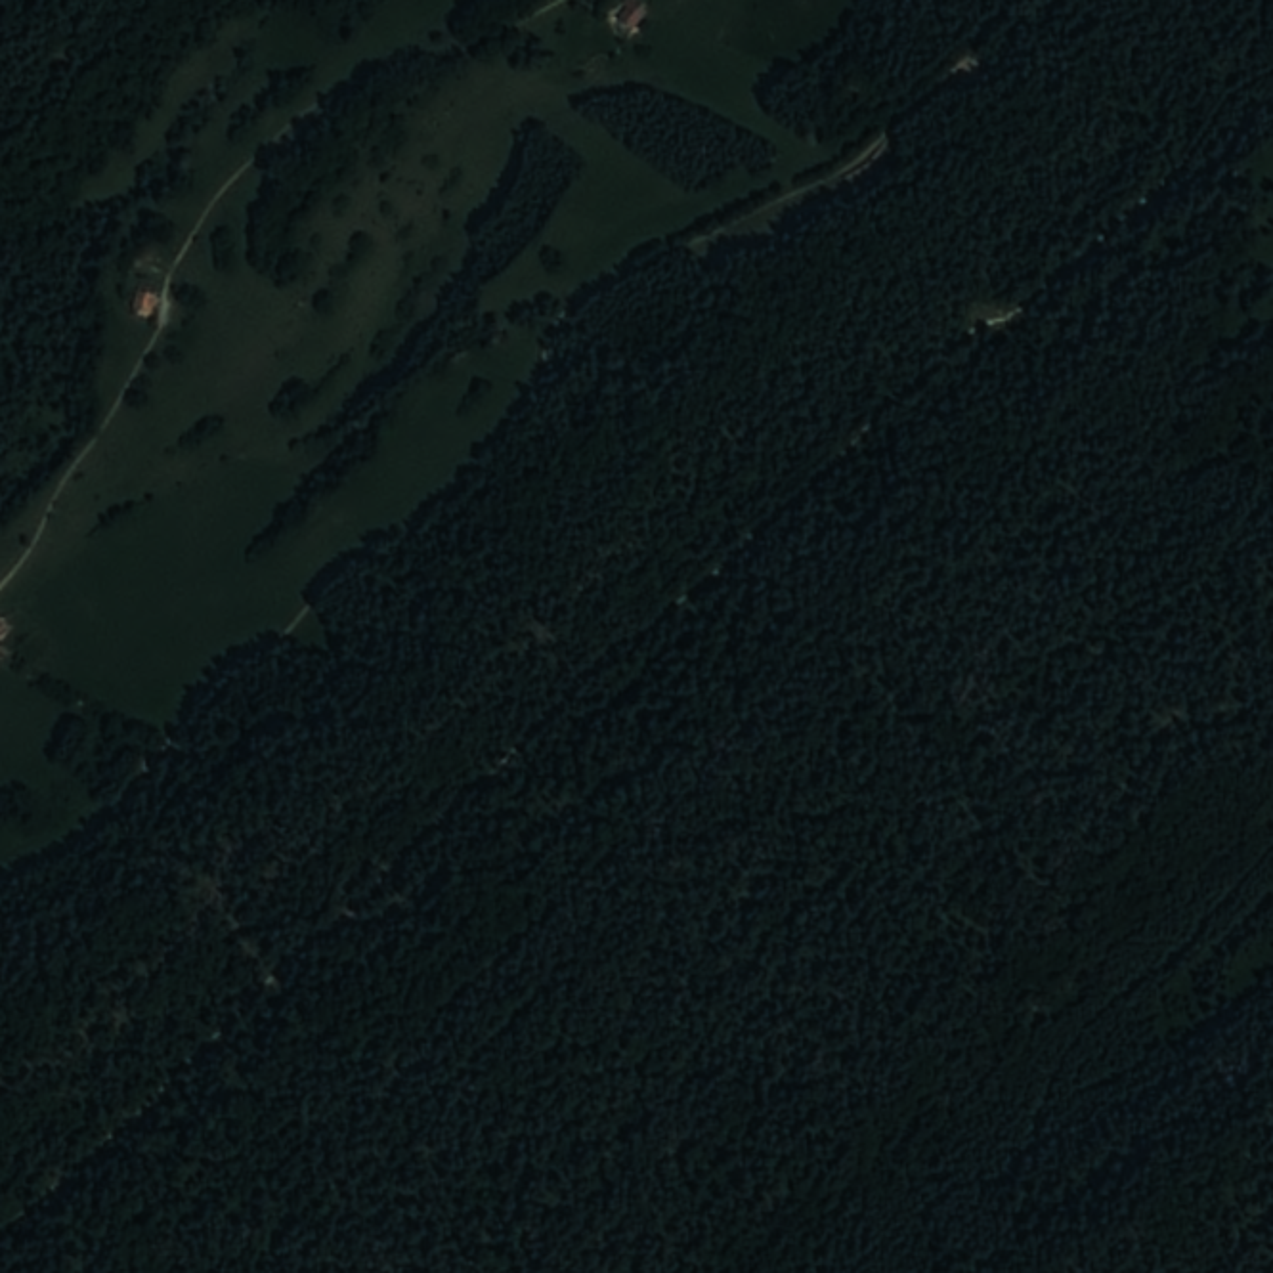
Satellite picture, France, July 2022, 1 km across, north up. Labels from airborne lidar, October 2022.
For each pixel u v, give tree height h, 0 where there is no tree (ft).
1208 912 66
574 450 77
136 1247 85
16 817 78
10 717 0
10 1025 79
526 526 64
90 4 73
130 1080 44
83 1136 46
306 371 0
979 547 76
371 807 38
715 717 79
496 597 50
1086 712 83
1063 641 63
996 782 86
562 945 81
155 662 0
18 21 53
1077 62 72
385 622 74
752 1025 90
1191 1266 65
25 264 67
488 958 88
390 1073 91
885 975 63
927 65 100
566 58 0
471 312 69
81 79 59
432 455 0
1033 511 64
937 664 86
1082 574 101
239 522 0
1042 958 71
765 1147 88
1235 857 83
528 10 83
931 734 89
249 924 65
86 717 18
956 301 64
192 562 0
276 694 69
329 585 86
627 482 27
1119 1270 64
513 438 68
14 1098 72
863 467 70
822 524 83
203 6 74
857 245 81
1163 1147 109
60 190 58
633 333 54
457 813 84
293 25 0
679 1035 80
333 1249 94
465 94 0
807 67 30
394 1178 84
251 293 0
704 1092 99
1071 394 90
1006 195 68
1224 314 21
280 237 25
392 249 0
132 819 96
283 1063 87
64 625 0
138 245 38
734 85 0
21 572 0
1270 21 67
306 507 66
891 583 98
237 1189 63
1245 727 82
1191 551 83
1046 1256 96
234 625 0
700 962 88
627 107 70
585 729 70
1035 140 74
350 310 0
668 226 0
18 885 80
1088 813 97
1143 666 95
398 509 0
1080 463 88
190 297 50
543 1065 46
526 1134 62
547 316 83
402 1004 75
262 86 0
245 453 0
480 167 0
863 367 57
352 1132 46
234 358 0
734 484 59
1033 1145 67
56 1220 108
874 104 26
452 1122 75
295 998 71
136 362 0
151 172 38
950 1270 92
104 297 23
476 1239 89
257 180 0
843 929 96
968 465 75
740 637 76
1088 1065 64
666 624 83
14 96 64
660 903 61
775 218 0
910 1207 70
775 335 53
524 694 72
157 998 73
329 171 48
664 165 72
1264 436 28
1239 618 47
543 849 88
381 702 88
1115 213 63
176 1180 91
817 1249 30
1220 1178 53
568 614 81
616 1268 100
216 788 94
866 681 22
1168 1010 22
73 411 58
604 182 0
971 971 78
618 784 30
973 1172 77
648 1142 88
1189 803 72
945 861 80
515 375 0
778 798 85
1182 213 106
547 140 73
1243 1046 110
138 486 0
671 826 79
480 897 90
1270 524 17
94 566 0
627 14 0
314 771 66
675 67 0
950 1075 107
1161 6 87
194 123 21
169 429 0
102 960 69
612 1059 73
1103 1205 103
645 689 90
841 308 45
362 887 103
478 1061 71
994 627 68
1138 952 83
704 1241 71
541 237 53
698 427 40
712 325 73
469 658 75
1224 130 30
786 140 0
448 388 0
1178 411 69
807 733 71
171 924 70
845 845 74
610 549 61
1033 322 38
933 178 87
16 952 79
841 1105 77
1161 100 25
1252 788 102
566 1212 41
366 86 87
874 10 68
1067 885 79
